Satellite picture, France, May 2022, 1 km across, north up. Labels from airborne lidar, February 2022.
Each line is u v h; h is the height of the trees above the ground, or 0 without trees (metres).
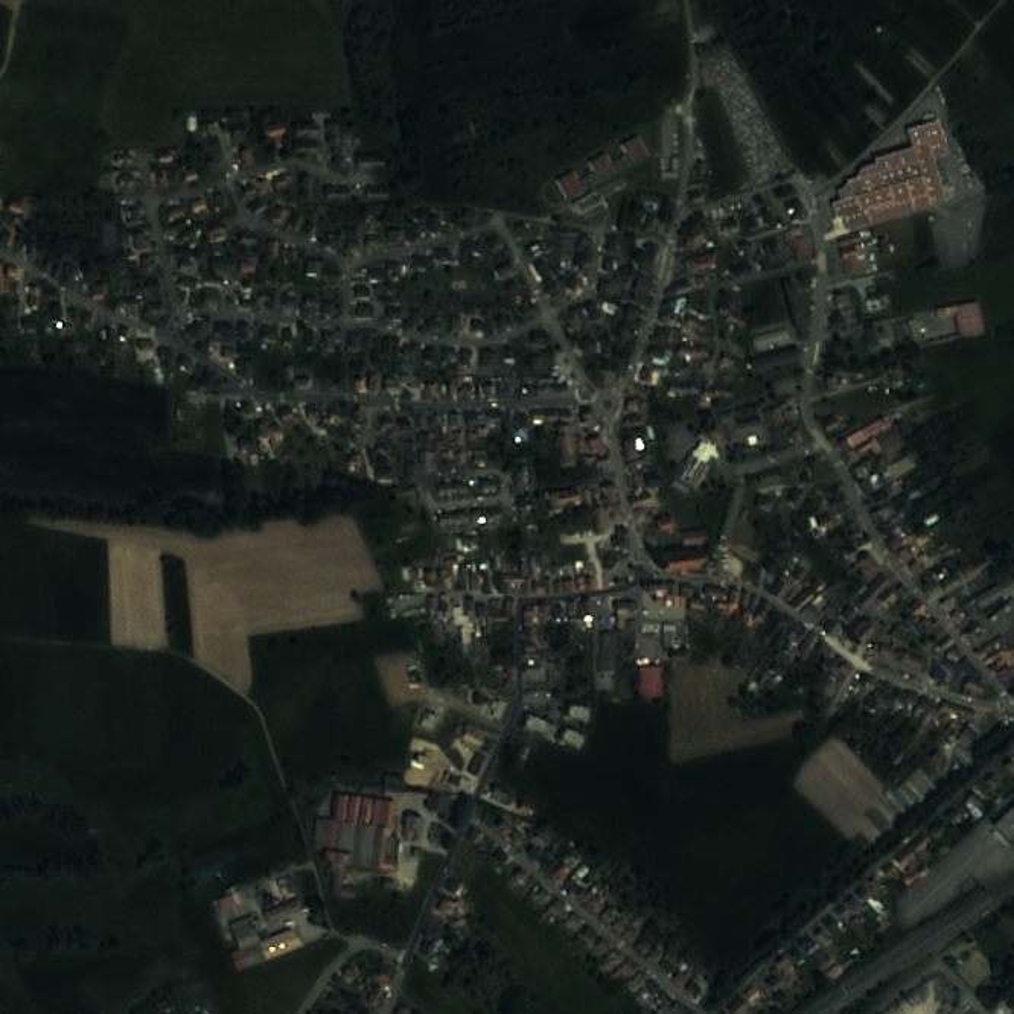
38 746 0
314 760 0
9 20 0
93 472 0
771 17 11
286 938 0
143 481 0
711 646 0
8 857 0
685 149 0
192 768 0
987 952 0
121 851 0
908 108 0
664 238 0
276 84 0
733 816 0
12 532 0
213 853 0
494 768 0
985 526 0
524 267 0
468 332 0
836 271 0
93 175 0
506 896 0
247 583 0
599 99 0
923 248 0
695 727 0
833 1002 0
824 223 0
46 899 0
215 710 0
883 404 0
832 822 0
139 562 0
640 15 0
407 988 0
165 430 0
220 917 0
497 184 0
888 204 0
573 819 0
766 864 0
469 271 0
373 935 0
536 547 0
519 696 0
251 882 0
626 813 0
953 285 0
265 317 0
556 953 0
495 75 0
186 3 0
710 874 0
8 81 0
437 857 0
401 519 0
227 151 0
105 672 0
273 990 0
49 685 0
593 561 0
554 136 0
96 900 0
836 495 0
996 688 0
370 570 0
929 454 6
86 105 0
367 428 0
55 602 0
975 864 0
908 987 0
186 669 0
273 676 0
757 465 0
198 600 0
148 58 0
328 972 0
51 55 0
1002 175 14
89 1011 0
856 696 0
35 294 0
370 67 18
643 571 0
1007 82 0
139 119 0
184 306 0
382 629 0
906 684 0
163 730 0
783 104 0
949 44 0
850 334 0
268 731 0
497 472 0
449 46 0
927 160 0
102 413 0
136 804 0
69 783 0
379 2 7
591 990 0
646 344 0
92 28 0
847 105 0
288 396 0
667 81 0
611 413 0
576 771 0
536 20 0
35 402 0
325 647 0
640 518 0
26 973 0
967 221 0
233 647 0
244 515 24
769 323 0
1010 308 0
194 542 0
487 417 0
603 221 0
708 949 0
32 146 0
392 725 0
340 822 0
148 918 0
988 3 0
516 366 0
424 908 0
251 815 0
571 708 0
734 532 0
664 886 0
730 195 0
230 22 0
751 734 0
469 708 0
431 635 0
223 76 0
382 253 0
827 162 0
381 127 14
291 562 0
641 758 0
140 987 0
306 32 0
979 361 0
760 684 0
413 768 0
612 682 0
